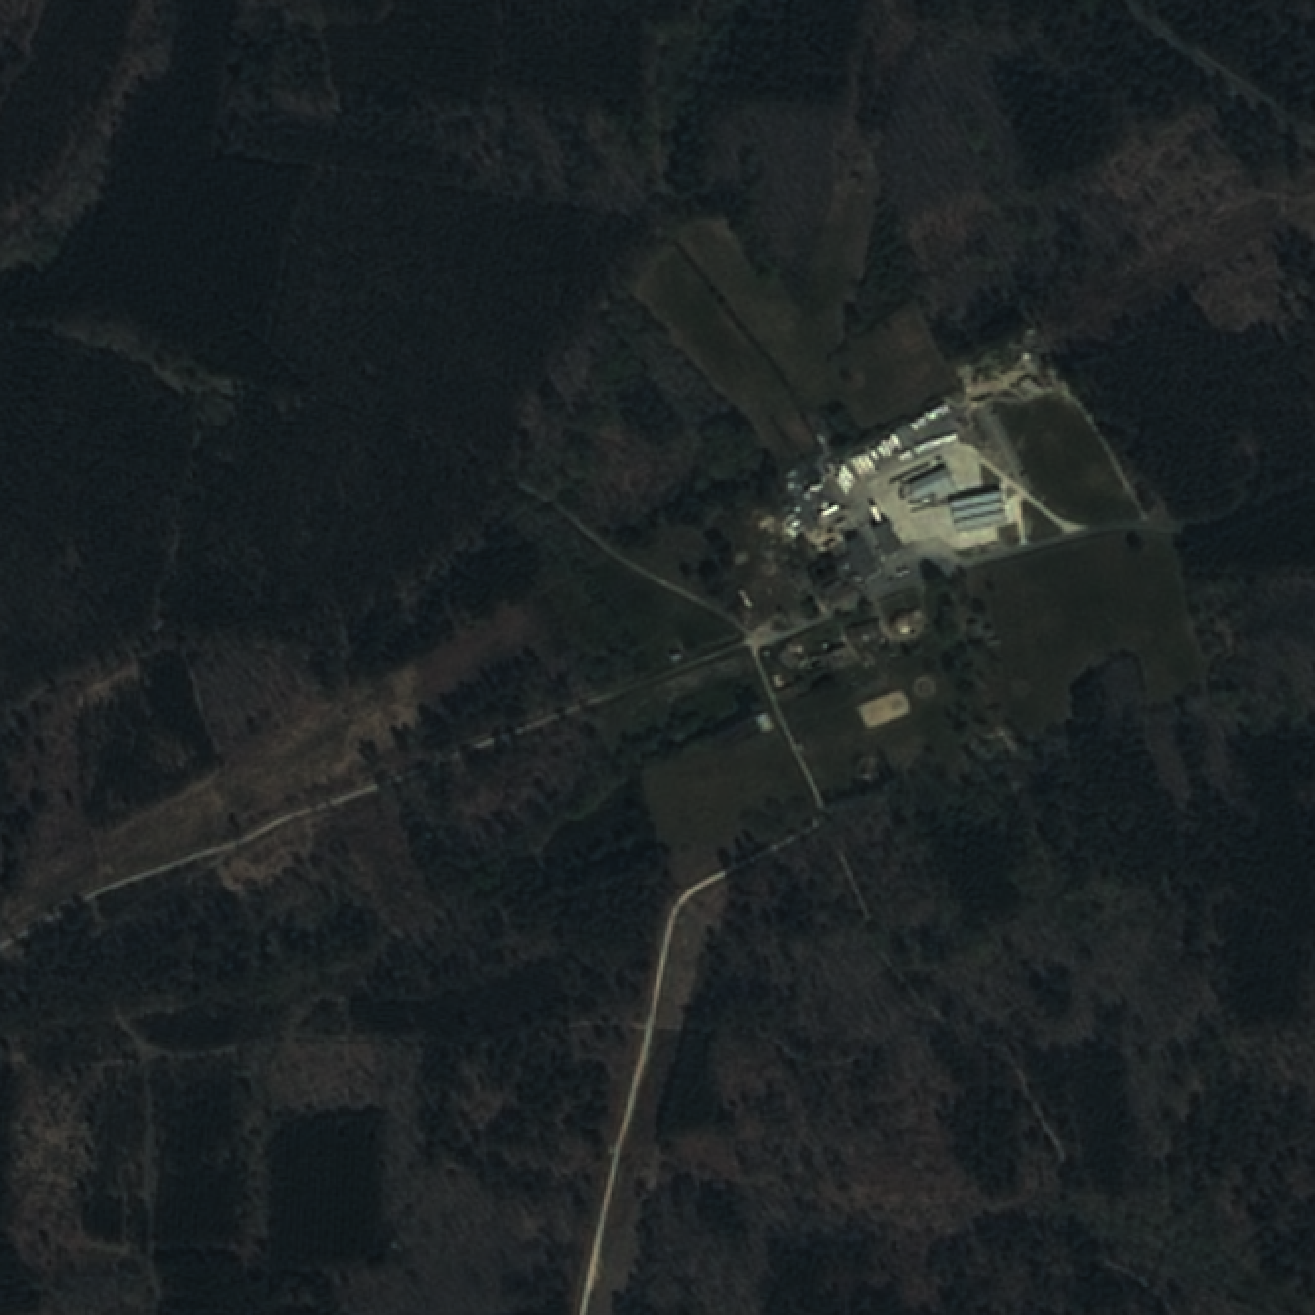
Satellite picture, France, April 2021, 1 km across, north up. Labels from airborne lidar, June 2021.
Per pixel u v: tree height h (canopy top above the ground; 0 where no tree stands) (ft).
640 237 50
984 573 0
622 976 23
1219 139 56
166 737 22
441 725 55
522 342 48
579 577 33
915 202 47
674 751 41
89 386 43
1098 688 39
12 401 41
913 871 0
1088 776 63
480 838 39
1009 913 42
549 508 26
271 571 43
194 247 35
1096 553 0
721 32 45
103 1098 20
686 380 42
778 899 42
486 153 36
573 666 44
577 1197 54
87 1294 71
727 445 65
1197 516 59
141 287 42
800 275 49
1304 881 53
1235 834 52
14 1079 52
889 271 27
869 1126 35
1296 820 53
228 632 43
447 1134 42
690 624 0
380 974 26
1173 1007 29
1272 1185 36
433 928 32
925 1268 27
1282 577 26
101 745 26
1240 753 58
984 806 41
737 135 41
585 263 47
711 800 0
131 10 40
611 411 54
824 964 37
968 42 39
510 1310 44
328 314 45
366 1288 28
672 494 25
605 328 52
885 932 43
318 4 38
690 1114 50
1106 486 0
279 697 27
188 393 32
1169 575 0
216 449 40
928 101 58
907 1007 45
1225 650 31
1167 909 78
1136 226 36
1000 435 0
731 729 0
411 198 47
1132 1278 27
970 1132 56
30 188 37
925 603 0
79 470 36
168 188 33
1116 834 66
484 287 45
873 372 0
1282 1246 62
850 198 0
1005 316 36
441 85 32
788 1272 49
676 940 0
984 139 78
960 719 25
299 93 32
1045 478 0
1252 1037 40
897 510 0
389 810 21
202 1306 45
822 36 69
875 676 0
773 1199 0
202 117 41
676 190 44
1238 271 44
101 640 36
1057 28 57
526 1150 52
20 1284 53
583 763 49
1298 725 45
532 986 28
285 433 48
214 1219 29
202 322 37
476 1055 52
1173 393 53
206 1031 28
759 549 0
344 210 44
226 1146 32
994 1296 37
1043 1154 37
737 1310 43
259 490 43
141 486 42
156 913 24
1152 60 72
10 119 33
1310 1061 34
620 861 34
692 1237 39
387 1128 25
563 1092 40
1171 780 31
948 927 0
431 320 45
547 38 54
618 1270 0
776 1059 0
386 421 45
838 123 47
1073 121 73
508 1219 44
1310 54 57
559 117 53
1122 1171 64
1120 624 0
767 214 48
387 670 49
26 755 50
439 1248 41
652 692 0
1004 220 44
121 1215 30
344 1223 37
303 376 46
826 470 0
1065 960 31
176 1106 21
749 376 0
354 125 62
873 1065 29
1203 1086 40
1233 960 50
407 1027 29
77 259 41
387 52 33
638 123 60
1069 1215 21
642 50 58
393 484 49
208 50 43
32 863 30
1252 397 51
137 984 50
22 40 30
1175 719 41
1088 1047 29
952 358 39
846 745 0
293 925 46
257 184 40
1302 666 44
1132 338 51
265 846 0
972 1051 62
